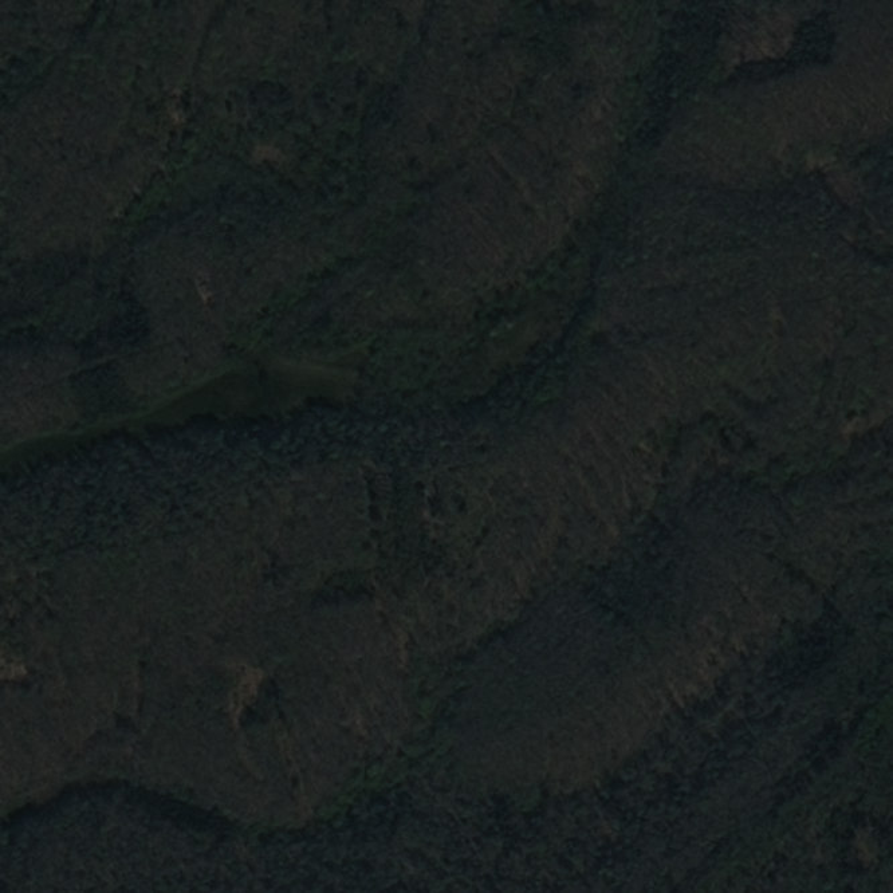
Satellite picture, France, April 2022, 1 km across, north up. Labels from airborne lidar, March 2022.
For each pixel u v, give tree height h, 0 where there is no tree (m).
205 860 27
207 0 25
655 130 15
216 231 18
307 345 21
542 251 28
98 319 17
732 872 16
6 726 24
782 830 21
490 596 29
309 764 21
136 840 24
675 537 26
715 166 31
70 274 21
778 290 25
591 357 21
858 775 17
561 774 14
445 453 22
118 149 17
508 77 29
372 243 23
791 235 22
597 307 21
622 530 25
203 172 18
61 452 0
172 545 24
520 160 27
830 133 29
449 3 28
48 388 15
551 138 21
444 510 12
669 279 28
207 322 25
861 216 15
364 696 28
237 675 0
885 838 23
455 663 17
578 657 25
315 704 26
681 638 23
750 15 24
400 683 24
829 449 25
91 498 24
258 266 23
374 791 7
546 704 22
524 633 25
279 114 17
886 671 16
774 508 24
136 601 23
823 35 10
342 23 24
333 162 7
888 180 31
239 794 27
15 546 23
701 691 31
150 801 17
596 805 28
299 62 23
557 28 21
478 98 24
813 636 16
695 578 22
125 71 26
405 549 16
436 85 31
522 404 20
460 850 26
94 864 25
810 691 28
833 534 25
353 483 19
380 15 23
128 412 17
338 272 21
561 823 24
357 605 25
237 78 13
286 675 21
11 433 25
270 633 26
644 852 27
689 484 32
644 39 30
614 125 28
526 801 22
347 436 17
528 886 29
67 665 20
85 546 18
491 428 23
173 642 25
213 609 24
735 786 31
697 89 17
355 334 10
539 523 28
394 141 26
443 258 26
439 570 13
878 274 24
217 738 26
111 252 20
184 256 25
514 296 27
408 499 17
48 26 25
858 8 26
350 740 29
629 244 21
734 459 22
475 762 22
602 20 23
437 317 11
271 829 7
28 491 21
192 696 22
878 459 28
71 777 19
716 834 22
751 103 22
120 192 28
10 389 22
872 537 26
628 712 22
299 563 24
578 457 21
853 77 27
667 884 24
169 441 31
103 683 22
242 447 26
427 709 15
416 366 28
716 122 18
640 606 22
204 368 27
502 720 21
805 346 29
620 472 26
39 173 22
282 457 22
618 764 17
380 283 15
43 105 26
